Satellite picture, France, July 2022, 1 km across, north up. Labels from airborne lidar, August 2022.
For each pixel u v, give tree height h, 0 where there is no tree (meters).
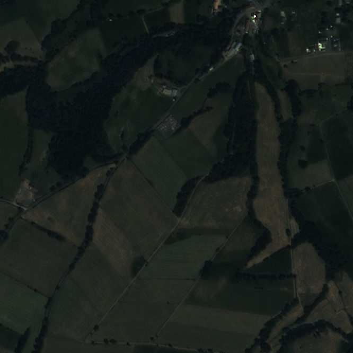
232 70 0
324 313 0
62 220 0
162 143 0
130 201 0
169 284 0
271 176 0
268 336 16
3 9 0
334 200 0
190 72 0
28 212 0
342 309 0
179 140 0
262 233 0
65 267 0
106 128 0
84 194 0
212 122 0
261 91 0
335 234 0
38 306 0
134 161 0
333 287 0
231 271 0
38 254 0
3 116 0
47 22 0
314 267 0
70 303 0
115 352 0
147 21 0
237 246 0
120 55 16
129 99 0
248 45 8
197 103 0
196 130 0
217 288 0
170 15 0
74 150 23
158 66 11
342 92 0
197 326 0
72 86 7
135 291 0
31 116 22
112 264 0
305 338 0
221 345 0
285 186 16
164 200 0
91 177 0
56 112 37
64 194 0
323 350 0
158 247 0
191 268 0
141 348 0
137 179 0
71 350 0
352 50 0
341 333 7
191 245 0
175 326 0
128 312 0
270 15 0
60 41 7
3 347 0
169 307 0
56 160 15
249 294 0
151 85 0
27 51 0
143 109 0
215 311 0
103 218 0
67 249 0
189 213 0
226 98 0
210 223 0
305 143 0
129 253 0
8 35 0
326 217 0
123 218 0
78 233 0
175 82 8
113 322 0
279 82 0
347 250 0
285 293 0
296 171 0
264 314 0
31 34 0
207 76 0
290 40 0
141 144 17
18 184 0
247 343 0
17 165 0
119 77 21
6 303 0
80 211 0
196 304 0
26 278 0
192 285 0
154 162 0
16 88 20
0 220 0
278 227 0
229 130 18
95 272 0
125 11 0
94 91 17
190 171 0
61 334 0
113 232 0
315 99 0
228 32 10
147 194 0
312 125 6
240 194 0
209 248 0
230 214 0
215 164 9
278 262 0
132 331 0
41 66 19
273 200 0
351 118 0
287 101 0
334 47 0
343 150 0
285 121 0
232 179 0
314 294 0
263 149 0
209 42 25
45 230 12
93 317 0
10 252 0
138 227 0
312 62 0
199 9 0
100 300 0
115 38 0
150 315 0
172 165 0
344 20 8
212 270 0
